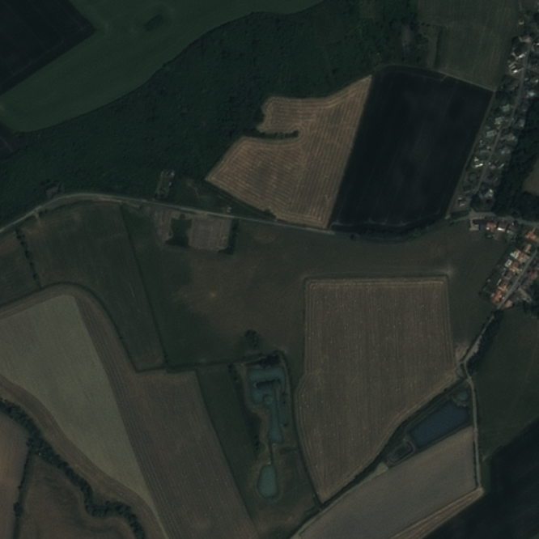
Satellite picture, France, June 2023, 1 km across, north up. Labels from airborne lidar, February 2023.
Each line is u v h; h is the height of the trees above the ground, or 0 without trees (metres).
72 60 0
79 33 0
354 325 0
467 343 0
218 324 0
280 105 0
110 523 0
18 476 0
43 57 0
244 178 0
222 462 0
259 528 0
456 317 0
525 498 0
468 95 0
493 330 19
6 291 0
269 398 13
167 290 0
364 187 0
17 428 0
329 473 0
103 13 0
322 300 0
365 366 0
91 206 0
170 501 0
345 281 0
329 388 0
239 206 0
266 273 0
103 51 0
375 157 0
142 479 0
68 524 0
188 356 0
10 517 0
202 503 0
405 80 0
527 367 0
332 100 0
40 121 0
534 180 0
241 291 0
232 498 0
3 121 0
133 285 0
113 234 0
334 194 0
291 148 0
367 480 0
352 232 0
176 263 0
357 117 0
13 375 0
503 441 0
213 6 0
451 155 0
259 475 0
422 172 0
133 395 0
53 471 0
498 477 0
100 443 0
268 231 0
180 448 0
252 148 0
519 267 0
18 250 0
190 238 0
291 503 0
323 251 0
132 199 0
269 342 0
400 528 0
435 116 0
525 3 0
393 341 0
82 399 0
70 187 6
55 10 0
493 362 0
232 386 0
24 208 8
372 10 0
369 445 0
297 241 0
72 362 0
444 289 0
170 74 7
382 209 0
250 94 8
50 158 6
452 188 0
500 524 0
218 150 0
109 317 0
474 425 0
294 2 0
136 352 0
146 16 0
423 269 0
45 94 0
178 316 0
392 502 0
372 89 0
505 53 0
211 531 0
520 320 0
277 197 0
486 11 0
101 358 0
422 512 0
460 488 0
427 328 0
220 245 0
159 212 0
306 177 0
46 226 0
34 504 0
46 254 0
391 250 0
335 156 0
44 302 0
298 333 0
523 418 0
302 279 0
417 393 0
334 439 0
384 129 0
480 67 0
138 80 0
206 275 0
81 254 0
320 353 0
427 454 0
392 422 0
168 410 0
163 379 0
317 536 0
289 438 0
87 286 0
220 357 0
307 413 0
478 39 0
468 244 0
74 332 0
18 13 0
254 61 10
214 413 0
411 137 0
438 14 0
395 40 0
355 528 0
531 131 20
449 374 0
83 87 0
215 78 6
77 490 0
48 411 0
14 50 0
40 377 0
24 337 0
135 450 0
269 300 0
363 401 0
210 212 0
